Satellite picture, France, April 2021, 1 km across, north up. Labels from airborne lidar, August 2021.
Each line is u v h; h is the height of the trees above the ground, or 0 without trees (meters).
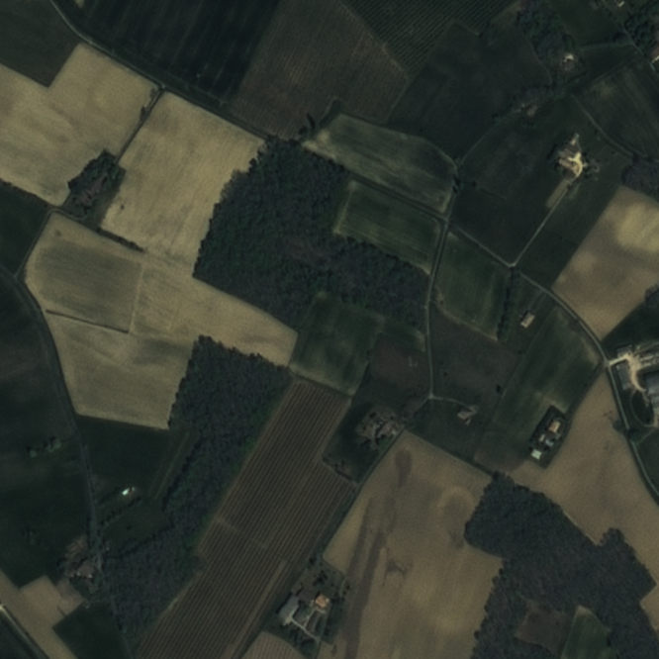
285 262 14
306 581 0
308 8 0
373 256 18
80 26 0
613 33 0
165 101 0
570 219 0
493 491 16
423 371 0
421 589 0
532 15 9
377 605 0
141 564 20
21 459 0
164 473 0
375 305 19
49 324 0
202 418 17
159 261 0
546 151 0
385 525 0
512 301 14
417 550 0
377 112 0
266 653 0
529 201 0
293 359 0
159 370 0
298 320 16
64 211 0
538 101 18
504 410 0
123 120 0
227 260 18
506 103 0
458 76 0
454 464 0
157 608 13
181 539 19
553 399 0
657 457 0
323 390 0
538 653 17
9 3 0
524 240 0
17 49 0
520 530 17
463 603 0
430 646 0
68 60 0
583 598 16
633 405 0
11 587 0
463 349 0
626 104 0
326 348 0
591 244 0
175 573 13
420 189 0
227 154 0
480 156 0
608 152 0
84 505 0
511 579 12
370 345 0
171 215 0
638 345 0
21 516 0
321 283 16
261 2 0
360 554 0
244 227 24
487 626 13
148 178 0
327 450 0
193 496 17
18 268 0
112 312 0
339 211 16
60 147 0
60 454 0
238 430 18
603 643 0
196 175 0
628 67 0
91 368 0
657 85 0
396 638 0
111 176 8
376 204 0
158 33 0
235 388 17
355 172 0
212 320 0
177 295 0
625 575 14
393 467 0
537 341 0
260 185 14
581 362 0
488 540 17
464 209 0
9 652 0
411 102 0
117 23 0
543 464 0
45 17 0
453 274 0
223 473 19
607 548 15
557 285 0
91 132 0
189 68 0
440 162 0
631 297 0
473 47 0
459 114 0
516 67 0
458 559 0
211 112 0
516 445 0
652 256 0
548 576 12
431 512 0
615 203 0
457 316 0
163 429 0
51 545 0
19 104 0
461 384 0
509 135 0
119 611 9
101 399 0
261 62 0
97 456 0
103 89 0
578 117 0
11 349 0
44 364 0
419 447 0
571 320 0
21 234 0
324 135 0
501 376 0
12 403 0
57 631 0
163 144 0
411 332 0
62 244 0
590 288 0
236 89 0
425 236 0
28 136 0
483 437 0
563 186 0
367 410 0
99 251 0
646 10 8
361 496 0
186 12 0
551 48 17
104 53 0
